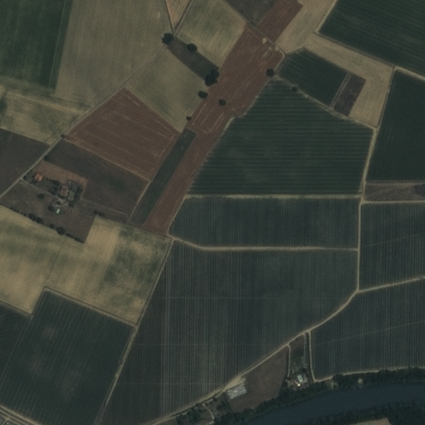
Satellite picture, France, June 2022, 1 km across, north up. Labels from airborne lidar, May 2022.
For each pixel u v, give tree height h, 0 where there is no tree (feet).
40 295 0
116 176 0
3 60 0
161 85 0
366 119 0
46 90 0
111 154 0
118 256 0
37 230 0
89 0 0
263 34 0
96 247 0
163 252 0
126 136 0
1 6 0
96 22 0
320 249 0
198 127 0
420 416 73
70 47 0
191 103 0
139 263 0
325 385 69
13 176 0
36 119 0
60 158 0
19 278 0
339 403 0
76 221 0
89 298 0
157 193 0
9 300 0
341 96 0
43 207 0
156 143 0
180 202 0
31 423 0
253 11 0
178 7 0
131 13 0
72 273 0
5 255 0
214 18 0
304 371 36
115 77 0
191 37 0
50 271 0
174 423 0
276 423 0
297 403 0
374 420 22
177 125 0
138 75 0
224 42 0
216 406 0
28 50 0
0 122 0
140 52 0
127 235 0
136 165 0
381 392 0
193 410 36
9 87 0
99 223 0
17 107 0
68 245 0
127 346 0
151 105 0
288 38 0
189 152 0
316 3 0
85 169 0
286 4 0
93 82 0
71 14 0
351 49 0
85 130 0
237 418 88
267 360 0
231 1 0
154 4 0
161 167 0
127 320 0
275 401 39
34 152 0
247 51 0
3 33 0
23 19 0
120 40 0
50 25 0
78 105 0
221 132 0
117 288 0
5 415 0
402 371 42
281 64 0
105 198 0
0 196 0
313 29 0
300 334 0
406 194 0
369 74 0
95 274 0
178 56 0
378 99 0
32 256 0
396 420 71
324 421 82
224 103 39
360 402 0
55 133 0
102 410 0
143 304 0
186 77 0
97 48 0
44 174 0
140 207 0
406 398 0
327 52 0
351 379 19
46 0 0
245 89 0
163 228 0
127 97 0
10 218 0
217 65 0
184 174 0
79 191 28
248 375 0
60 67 0
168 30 0
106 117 0
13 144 0
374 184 0
